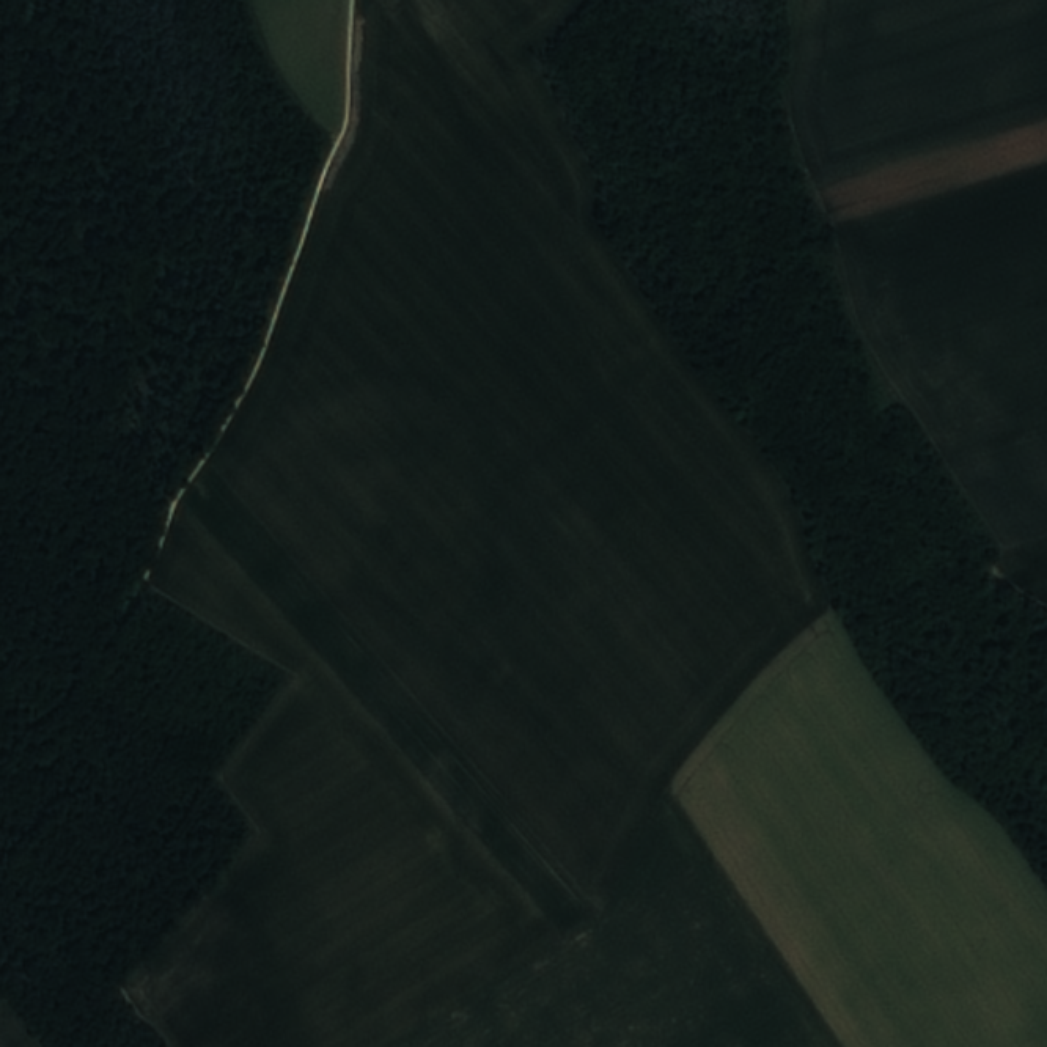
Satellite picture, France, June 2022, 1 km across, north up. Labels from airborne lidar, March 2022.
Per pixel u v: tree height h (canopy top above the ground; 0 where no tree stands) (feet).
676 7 28
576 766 0
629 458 0
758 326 34
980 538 31
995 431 0
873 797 0
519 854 0
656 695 0
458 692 0
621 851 0
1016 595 49
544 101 0
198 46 68
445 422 0
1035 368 0
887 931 0
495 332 0
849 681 0
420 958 0
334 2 0
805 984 0
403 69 0
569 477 0
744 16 63
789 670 0
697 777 0
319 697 0
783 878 0
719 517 0
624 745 0
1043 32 0
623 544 0
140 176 79
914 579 27
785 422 26
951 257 0
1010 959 0
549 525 0
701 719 0
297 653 0
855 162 0
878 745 0
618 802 0
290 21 0
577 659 0
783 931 0
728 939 0
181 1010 0
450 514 0
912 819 0
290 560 0
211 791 31
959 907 0
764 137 42
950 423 0
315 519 0
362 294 0
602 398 0
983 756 32
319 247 0
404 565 0
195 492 0
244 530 0
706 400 0
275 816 0
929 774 0
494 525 0
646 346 0
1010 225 0
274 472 0
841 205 0
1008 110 0
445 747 0
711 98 58
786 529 0
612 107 27
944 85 0
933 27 0
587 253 0
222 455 0
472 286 0
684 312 62
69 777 55
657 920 0
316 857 0
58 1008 74
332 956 0
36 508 69
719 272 40
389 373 0
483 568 0
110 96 75
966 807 0
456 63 0
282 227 65
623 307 0
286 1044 0
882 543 29
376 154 0
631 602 0
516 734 0
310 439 0
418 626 0
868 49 0
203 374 56
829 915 0
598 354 0
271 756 0
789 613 0
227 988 0
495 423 0
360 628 0
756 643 0
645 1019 0
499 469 0
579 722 0
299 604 0
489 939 0
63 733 75
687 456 0
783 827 0
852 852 0
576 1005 0
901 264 0
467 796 0
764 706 0
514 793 0
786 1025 0
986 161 0
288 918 0
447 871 0
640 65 61
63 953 77
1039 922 0
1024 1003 0
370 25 0
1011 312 0
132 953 65
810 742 0
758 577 0
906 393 0
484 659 0
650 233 45
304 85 0
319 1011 0
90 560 70
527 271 0
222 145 39
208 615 0
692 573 0
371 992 0
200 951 0
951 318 0
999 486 0
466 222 0
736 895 0
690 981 0
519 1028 0
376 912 0
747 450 0
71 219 67
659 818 0
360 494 0
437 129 0
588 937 0
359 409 0
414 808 0
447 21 0
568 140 0
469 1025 0
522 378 0
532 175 0
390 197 0
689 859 0
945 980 0
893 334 0
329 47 0
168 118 55
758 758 0
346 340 0
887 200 0
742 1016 0
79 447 72
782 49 25
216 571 0
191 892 66
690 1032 0
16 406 60
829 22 0
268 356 0
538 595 0
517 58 0
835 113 0
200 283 63
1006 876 0
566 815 0
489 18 0
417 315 0
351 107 0
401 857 0
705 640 0
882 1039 0
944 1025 0
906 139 0
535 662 0
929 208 0
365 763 0
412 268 0
